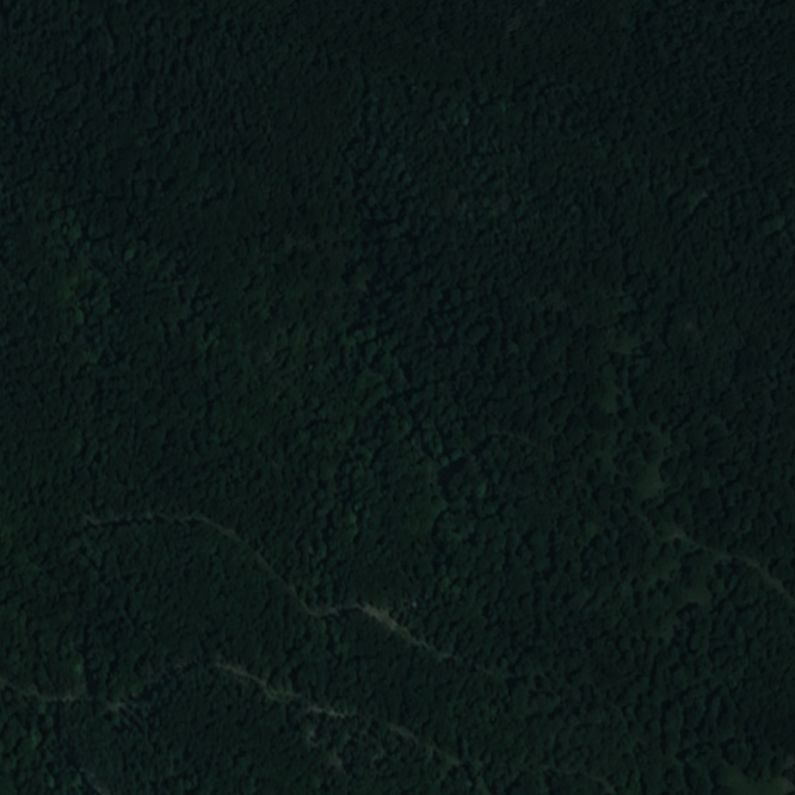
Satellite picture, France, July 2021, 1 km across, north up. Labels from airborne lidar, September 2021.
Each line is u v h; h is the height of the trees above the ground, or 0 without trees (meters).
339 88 20
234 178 29
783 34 28
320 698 31
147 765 34
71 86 14
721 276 19
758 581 31
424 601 28
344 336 37
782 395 29
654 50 10
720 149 21
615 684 22
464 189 23
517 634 19
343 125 18
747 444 10
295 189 9
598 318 11
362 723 23
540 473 28
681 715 34
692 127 13
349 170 31
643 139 29
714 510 25
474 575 33
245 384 23
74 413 21
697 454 22
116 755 26
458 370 25
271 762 31
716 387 21
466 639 27
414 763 34
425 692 31
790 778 28
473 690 32
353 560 28
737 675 26
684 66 23
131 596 35
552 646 24
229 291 26
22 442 24
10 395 17
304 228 16
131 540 27
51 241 31
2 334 22
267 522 22
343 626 32
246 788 25
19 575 25
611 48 19
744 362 27
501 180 30
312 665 36
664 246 23
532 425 26
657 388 28
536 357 18
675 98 26
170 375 24
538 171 22
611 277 20
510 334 23
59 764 25
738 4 31
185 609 28
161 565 27
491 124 26
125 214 27
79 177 39
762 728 31
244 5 14
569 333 9
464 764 7
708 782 30
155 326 22
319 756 31
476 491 26
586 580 22
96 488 30
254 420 7
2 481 30
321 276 8
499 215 18
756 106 22
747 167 18
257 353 19
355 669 27
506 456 28
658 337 10
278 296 19
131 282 21
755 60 22
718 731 31
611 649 20
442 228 24
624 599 29
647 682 31
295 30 22
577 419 21
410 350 36
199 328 29
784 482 16
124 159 32
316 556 32
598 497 21
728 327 10
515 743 29
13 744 34
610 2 10
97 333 31
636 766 33
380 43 21
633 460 18
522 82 20
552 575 14
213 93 22
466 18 17
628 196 27
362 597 26
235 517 27
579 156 30
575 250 26
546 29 18
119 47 22
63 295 28
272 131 22
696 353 18
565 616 14
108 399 34
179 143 32
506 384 36
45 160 32
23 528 27
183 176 38
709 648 12
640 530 10
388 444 18
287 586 33
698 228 26
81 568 29
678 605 21
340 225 18
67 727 11
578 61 12
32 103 26
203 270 24
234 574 30
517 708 33
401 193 21
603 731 24
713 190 6
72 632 26
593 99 30
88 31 12
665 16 11
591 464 10
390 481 26
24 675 30
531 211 20
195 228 27
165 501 25
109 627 29
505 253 22
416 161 14
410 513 30
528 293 21
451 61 27
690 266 24
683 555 11
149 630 28
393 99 22
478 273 17
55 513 20
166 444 8
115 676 35
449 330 41
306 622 29
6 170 23
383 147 23
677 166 28
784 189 21
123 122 32
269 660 28
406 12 20
